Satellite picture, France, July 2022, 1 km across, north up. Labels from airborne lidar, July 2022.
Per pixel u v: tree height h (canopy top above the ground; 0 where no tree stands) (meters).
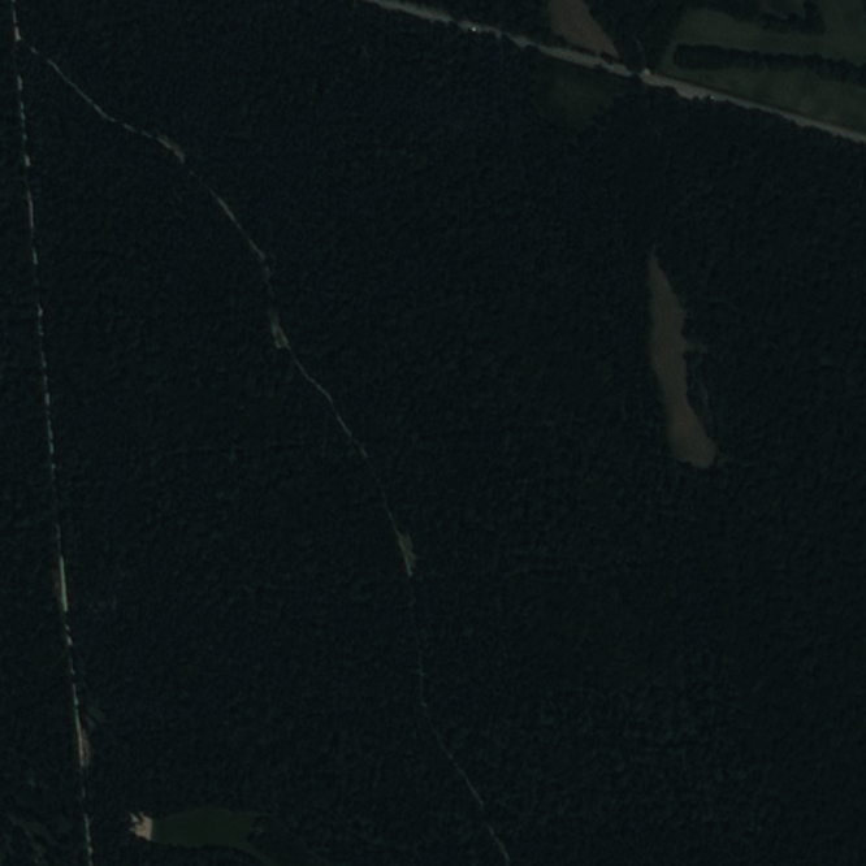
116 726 14
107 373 14
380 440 16
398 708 18
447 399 10
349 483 19
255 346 18
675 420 0
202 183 7
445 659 16
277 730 15
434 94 28
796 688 19
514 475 16
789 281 20
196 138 21
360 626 17
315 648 16
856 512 18
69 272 17
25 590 15
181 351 14
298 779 19
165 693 19
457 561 13
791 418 15
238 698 15
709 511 19
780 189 21
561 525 21
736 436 18
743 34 0
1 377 11
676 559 17
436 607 19
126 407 12
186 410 19
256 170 18
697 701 11
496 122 22
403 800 19
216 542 17
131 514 16
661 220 15
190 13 18
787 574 18
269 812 15
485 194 21
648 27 14
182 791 16
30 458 16
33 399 9
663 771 16
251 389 21
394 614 17
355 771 22
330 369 18
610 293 22
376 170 16
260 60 15
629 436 17
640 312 21
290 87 23
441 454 16
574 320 19
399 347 16
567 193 20
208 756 17
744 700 18
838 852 17
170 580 16
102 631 20
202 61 17
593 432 19
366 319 18
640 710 17
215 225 14
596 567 20
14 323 23
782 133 15
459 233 22
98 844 14
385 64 22
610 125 17
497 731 20
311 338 22
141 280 14
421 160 16
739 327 19
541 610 19
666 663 16
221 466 9
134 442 15
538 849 17
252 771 16
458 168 13
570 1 0
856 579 18
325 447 18
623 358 23
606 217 18
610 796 18
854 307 17
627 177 18
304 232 14
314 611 17
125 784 19
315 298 20
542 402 20
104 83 18
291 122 24
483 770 18
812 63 17
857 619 17
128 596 16
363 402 18
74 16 18
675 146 16
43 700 15
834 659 19
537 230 16
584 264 18
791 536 18
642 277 15
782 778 17
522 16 19
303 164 21
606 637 16
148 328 20
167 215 15
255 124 23
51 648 16
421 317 22
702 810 20
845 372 20
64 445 18
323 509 13
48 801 15
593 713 10
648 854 18
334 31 21
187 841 0
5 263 15
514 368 22
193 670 17
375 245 19
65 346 20
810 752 19
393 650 19
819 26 14
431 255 20
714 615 19
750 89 0
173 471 15
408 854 18
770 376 21
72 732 19
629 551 16
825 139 16
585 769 20
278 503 17
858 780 19
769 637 16
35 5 20
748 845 14
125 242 18
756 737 19
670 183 15
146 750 17
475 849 18
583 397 17
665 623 20
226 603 15
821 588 19
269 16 19
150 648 15
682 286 18
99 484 7
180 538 16
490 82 22
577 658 21
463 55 19
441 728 17
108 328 15
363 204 19
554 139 21
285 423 17
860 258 19
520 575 20
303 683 19
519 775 18
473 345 18
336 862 16
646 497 19
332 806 17
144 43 20
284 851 8
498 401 16
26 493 12
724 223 18
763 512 15
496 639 17
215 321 21
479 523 15
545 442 17
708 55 16
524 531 17
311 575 13
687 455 0
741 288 17
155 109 24
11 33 16
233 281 18
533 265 14
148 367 17
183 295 16
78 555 14
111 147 23
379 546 17
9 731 14
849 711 21
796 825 18
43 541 11
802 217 17
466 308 20
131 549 17
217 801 11
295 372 16
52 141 15
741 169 18
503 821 19
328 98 20
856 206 18
